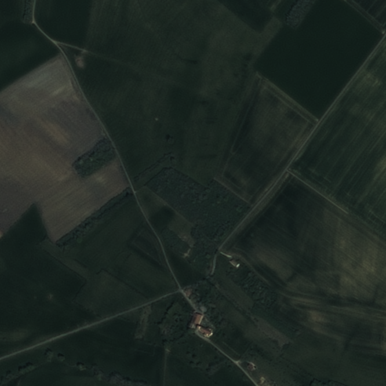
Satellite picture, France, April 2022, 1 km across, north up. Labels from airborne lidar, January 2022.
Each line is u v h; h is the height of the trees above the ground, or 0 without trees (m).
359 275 0
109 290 0
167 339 0
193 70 0
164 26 0
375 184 0
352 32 0
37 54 0
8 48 0
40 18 0
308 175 0
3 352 0
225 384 0
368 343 0
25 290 0
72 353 0
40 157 0
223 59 0
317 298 0
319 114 0
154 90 0
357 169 0
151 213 0
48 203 0
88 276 0
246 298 0
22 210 0
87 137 0
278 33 0
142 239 0
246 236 0
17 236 0
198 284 10
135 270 0
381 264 0
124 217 0
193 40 0
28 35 0
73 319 0
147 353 0
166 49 0
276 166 0
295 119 0
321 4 0
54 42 0
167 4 0
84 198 0
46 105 0
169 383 0
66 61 0
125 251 0
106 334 0
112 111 0
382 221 0
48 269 0
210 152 0
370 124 0
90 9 0
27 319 0
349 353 0
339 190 0
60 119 0
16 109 0
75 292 0
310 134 0
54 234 0
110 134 0
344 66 0
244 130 0
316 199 0
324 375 0
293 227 0
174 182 6
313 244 0
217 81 0
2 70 0
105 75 0
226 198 12
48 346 0
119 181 0
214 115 0
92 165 18
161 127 0
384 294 0
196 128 0
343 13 0
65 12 0
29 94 0
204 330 0
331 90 0
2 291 0
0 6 0
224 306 0
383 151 0
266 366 0
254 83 0
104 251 0
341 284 0
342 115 0
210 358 0
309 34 0
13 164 0
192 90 0
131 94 0
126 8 0
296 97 0
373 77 0
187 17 0
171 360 0
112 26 0
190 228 0
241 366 0
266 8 0
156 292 0
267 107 0
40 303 0
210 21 0
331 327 0
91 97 0
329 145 0
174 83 0
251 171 0
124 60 0
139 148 0
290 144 0
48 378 0
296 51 0
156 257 0
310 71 0
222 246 0
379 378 0
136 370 0
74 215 0
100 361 0
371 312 0
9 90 0
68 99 0
